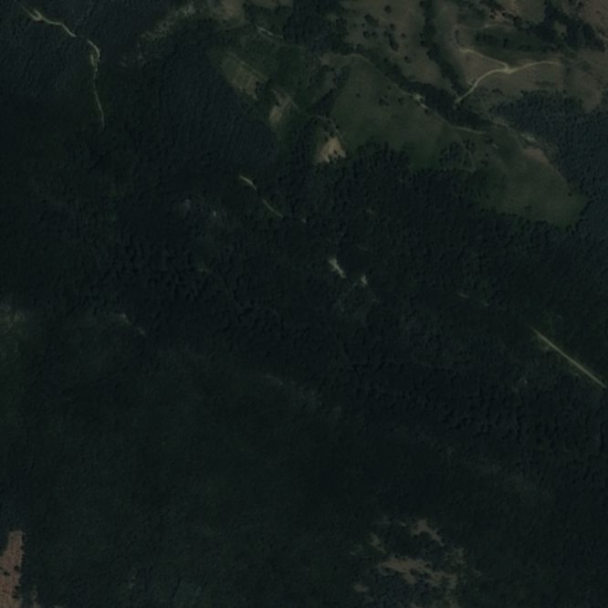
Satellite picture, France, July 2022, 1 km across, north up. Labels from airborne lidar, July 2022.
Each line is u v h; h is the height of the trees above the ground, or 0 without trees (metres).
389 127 0
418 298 15
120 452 12
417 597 12
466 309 18
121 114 16
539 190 0
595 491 23
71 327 9
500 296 18
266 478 6
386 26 0
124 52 14
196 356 5
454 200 23
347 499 12
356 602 6
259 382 7
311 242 13
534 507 8
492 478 9
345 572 7
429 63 0
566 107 7
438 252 22
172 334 16
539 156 0
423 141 0
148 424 6
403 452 10
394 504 15
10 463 17
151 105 17
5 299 13
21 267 14
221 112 16
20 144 26
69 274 23
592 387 9
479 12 6
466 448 21
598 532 16
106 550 8
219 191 25
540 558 15
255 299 27
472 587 7
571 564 22
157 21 11
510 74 0
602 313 9
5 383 13
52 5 10
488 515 11
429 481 16
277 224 27
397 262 18
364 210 15
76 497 7
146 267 12
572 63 0
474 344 8
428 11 9
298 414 7
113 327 10
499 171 0
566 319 7
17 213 14
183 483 8
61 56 19
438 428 20
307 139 15
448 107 16
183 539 8
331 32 10
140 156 18
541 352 16
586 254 9
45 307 17
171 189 19
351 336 17
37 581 10
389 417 25
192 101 18
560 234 22
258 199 21
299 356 19
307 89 6
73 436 10
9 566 0
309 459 9
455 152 13
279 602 10
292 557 7
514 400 16
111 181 22
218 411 12
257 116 16
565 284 12
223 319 24
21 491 25
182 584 18
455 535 11
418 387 21
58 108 16
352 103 0
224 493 7
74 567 8
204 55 17
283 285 16
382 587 6
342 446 11
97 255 13
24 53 17
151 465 11
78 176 20
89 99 16
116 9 13
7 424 8
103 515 8
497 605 6
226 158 17
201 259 14
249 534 11
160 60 18
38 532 16
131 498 9
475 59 0
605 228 19
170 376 7
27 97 19
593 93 0
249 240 14
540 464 23
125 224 22
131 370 11
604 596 18
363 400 21
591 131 10
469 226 19
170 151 17
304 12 21
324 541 8
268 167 18
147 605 11
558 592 13
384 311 24
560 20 11
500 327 21
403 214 18
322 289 14
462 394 24
